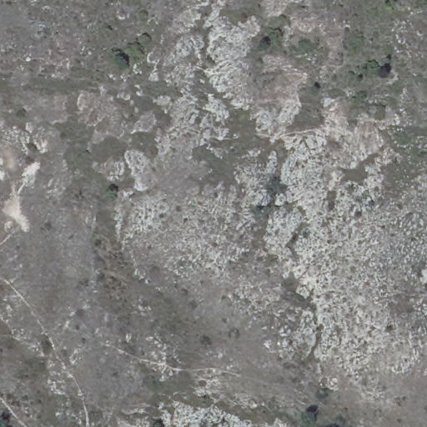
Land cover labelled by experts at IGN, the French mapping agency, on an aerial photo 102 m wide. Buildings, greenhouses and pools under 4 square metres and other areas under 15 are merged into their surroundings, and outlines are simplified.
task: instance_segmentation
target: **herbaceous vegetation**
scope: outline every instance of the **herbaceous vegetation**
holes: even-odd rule
[[[3,212],[3,208],[10,198],[12,185],[0,178],[0,240],[5,237],[5,222],[8,215]]]
[[[15,38],[15,47],[0,53],[0,142],[3,135],[12,127],[25,130],[27,120],[17,117],[15,112],[22,110],[28,100],[47,95],[67,95],[68,113],[67,122],[55,125],[58,135],[48,143],[47,152],[37,153],[35,163],[38,163],[38,170],[35,173],[35,182],[23,188],[20,195],[20,210],[27,217],[28,230],[18,230],[7,244],[0,245],[0,284],[3,284],[5,279],[28,282],[23,295],[32,302],[32,305],[13,310],[12,322],[15,329],[27,327],[32,329],[33,339],[40,344],[47,339],[52,339],[55,344],[55,349],[45,352],[43,357],[33,357],[32,350],[13,339],[12,332],[0,320],[0,362],[22,360],[22,369],[18,370],[15,377],[28,380],[33,392],[23,397],[0,392],[0,427],[77,427],[77,422],[72,417],[67,417],[67,410],[78,412],[82,409],[88,409],[88,412],[92,409],[102,410],[102,419],[93,422],[95,427],[117,427],[120,419],[117,412],[123,412],[125,409],[147,410],[147,405],[152,399],[153,390],[143,385],[142,374],[135,369],[138,364],[142,364],[138,357],[158,350],[145,337],[160,335],[160,342],[167,345],[167,364],[180,369],[193,369],[193,364],[200,360],[200,352],[208,349],[207,345],[200,342],[205,335],[203,330],[200,330],[203,322],[202,319],[193,319],[193,310],[197,307],[197,302],[190,300],[190,292],[187,289],[183,289],[182,294],[170,299],[163,292],[158,292],[152,285],[145,284],[142,279],[133,275],[132,262],[122,254],[122,242],[118,242],[115,235],[115,198],[118,192],[110,190],[108,185],[112,182],[103,177],[102,173],[95,172],[92,163],[103,163],[107,160],[118,162],[125,157],[127,150],[138,150],[147,158],[157,155],[155,137],[158,130],[162,130],[165,135],[165,130],[172,125],[172,117],[168,113],[163,113],[162,105],[158,105],[157,98],[170,97],[170,100],[177,102],[178,97],[182,97],[177,85],[167,85],[165,82],[165,75],[173,72],[173,65],[163,67],[163,60],[172,52],[180,38],[193,35],[192,30],[170,33],[167,30],[167,27],[172,25],[173,17],[177,17],[185,10],[180,0],[0,0],[0,23],[5,25],[7,32]],[[147,62],[142,63],[140,67],[133,63],[122,72],[117,63],[107,60],[107,53],[112,52],[113,48],[123,48],[128,42],[135,42],[138,37],[142,37],[145,32],[152,33],[152,50],[147,52]],[[127,110],[128,122],[137,122],[145,112],[155,113],[157,123],[153,125],[152,130],[125,133],[120,140],[107,137],[103,142],[95,143],[92,150],[87,150],[87,142],[93,137],[93,127],[78,122],[77,97],[80,92],[100,92],[100,85],[105,85],[108,95],[112,95],[113,103],[117,107]],[[62,197],[48,195],[47,182],[50,178],[58,178],[67,185]]]
[[[219,183],[224,185],[224,193],[230,193],[230,187],[235,182],[235,157],[259,148],[259,163],[267,163],[270,153],[284,143],[284,140],[270,142],[269,138],[259,137],[255,130],[257,120],[250,118],[252,113],[244,108],[235,108],[225,120],[229,130],[227,137],[224,140],[210,140],[212,147],[215,148],[232,145],[234,148],[229,153],[217,158],[203,145],[193,148],[192,157],[195,160],[205,160],[207,167],[212,168],[212,173],[207,173],[202,180],[195,175],[188,175],[188,180],[198,187],[198,197],[202,197],[205,185]]]
[[[297,13],[300,20],[315,15],[325,25],[324,35],[312,40],[300,38],[297,45],[284,47],[284,28],[285,25],[290,25],[292,13]],[[292,65],[302,72],[307,72],[307,83],[299,90],[300,112],[295,115],[294,122],[287,123],[287,132],[319,128],[320,125],[324,125],[324,98],[339,100],[349,123],[349,130],[357,125],[360,113],[367,113],[369,117],[380,120],[385,118],[387,107],[394,110],[405,108],[405,112],[409,113],[409,127],[402,127],[399,123],[389,125],[389,128],[379,133],[394,152],[402,155],[402,162],[392,158],[390,163],[380,167],[380,175],[384,175],[382,195],[370,200],[369,207],[385,207],[392,198],[399,198],[405,190],[419,188],[417,177],[427,175],[427,0],[317,0],[312,5],[290,3],[279,17],[267,17],[264,0],[234,0],[229,5],[225,3],[224,8],[220,10],[220,17],[229,18],[229,23],[234,25],[255,17],[260,25],[259,35],[250,40],[250,50],[245,55],[247,62],[254,60],[262,63],[265,55],[275,55],[289,58]],[[390,70],[399,73],[397,82],[387,85],[385,77],[365,77],[357,80],[360,68],[367,60],[377,60],[380,65],[384,65],[387,53],[392,53]]]

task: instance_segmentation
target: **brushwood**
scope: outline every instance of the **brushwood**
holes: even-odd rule
[[[155,420],[162,419],[162,414],[158,412],[160,402],[163,402],[168,414],[173,414],[175,410],[173,402],[182,402],[195,410],[212,405],[208,395],[195,394],[195,390],[205,387],[203,380],[193,380],[188,372],[178,372],[170,379],[160,382],[160,370],[150,369],[142,364],[138,364],[135,369],[142,374],[143,385],[153,390],[152,399],[147,405],[147,410],[125,409],[123,412],[117,412],[120,419],[128,424],[135,424],[138,419],[147,419],[152,425]]]
[[[302,415],[294,414],[292,417],[297,420],[297,427],[357,427],[359,419],[355,417],[355,412],[349,414],[349,407],[330,399],[329,387],[320,387],[315,394],[317,399],[314,402],[315,407],[319,409],[319,417],[314,419],[309,410],[305,410]]]
[[[152,50],[152,33],[145,32],[142,37],[138,37],[135,42],[128,42],[123,48],[113,48],[112,52],[107,53],[107,60],[117,63],[122,72],[133,63],[140,67],[142,63],[147,62],[147,52]]]
[[[279,175],[272,173],[265,190],[269,195],[277,197],[279,193],[287,192],[287,185],[282,183]]]

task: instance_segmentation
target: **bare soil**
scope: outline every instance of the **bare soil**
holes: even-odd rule
[[[182,402],[173,402],[175,410],[173,414],[168,414],[163,402],[160,402],[158,412],[162,414],[162,419],[155,420],[152,425],[147,419],[138,419],[135,424],[128,424],[120,419],[117,427],[297,427],[297,420],[292,417],[294,414],[302,415],[305,410],[309,410],[314,419],[319,417],[319,409],[315,407],[314,402],[317,399],[315,394],[320,387],[329,387],[330,399],[349,407],[349,414],[355,412],[355,417],[359,419],[357,427],[427,427],[427,175],[417,177],[419,188],[405,190],[399,198],[392,198],[385,207],[369,207],[370,200],[382,195],[384,175],[380,175],[380,167],[390,163],[392,158],[402,162],[402,155],[394,152],[379,133],[389,128],[389,125],[399,123],[402,127],[409,127],[409,113],[405,112],[405,108],[394,110],[387,107],[385,118],[380,120],[369,117],[367,113],[360,113],[357,125],[349,130],[349,123],[339,100],[324,98],[324,125],[320,125],[319,128],[287,132],[287,123],[294,122],[295,115],[300,112],[299,90],[307,83],[307,72],[302,72],[292,65],[289,58],[275,55],[265,55],[262,63],[254,60],[247,62],[245,55],[250,50],[250,40],[259,35],[260,25],[255,17],[234,25],[229,23],[229,18],[220,17],[220,10],[224,8],[225,3],[229,5],[234,0],[180,0],[185,10],[177,17],[173,17],[172,25],[167,27],[167,30],[170,33],[192,30],[193,35],[180,38],[172,52],[163,60],[163,67],[173,65],[173,72],[165,75],[165,82],[167,85],[177,85],[182,97],[178,97],[177,102],[170,100],[170,97],[157,98],[158,105],[162,105],[163,113],[168,113],[172,117],[172,125],[165,130],[165,135],[162,130],[158,130],[155,137],[157,155],[147,158],[138,150],[127,150],[125,157],[118,162],[107,160],[103,163],[92,163],[95,172],[102,173],[103,177],[112,182],[108,185],[110,190],[118,192],[115,198],[115,235],[118,242],[122,242],[122,254],[132,262],[133,275],[142,279],[145,284],[152,285],[158,292],[163,292],[170,299],[182,294],[183,289],[187,289],[190,292],[190,300],[197,302],[197,307],[193,310],[193,319],[202,319],[203,322],[200,330],[203,330],[205,335],[200,342],[207,345],[208,349],[200,352],[200,360],[193,364],[193,369],[180,369],[167,364],[167,345],[160,342],[160,335],[145,337],[158,350],[138,357],[142,364],[150,369],[160,370],[160,382],[170,379],[178,372],[188,372],[193,380],[203,380],[205,387],[195,390],[195,394],[208,395],[212,405],[195,410]],[[234,148],[232,145],[215,148],[212,147],[210,140],[224,140],[227,137],[229,130],[225,120],[235,108],[244,108],[252,113],[250,118],[257,120],[255,130],[259,137],[269,138],[270,142],[284,140],[284,143],[270,153],[267,163],[259,163],[259,148],[235,157],[235,182],[230,187],[230,193],[224,193],[224,185],[219,183],[205,185],[202,197],[198,197],[198,187],[188,180],[188,175],[195,175],[202,180],[207,173],[212,173],[212,168],[207,167],[205,160],[195,160],[192,157],[193,148],[203,145],[217,158],[229,153]],[[287,185],[287,192],[279,193],[277,197],[269,195],[265,190],[272,173],[279,175],[282,183]]]
[[[13,310],[32,305],[32,302],[23,295],[28,282],[5,279],[3,284],[0,284],[0,320],[12,332],[13,339],[32,350],[33,357],[43,357],[45,352],[55,349],[55,344],[52,339],[47,339],[40,344],[33,339],[32,329],[27,327],[15,329],[12,322]]]
[[[112,95],[108,95],[105,85],[100,85],[100,92],[80,92],[77,97],[78,122],[93,127],[93,137],[87,142],[87,150],[92,150],[95,143],[103,142],[107,137],[120,140],[125,133],[152,130],[153,125],[157,123],[155,113],[145,112],[137,122],[128,122],[127,110],[117,107],[113,103]]]
[[[102,410],[92,409],[88,412],[88,409],[82,409],[78,412],[67,410],[67,417],[72,417],[77,422],[77,427],[95,427],[93,422],[102,419]]]
[[[297,45],[300,38],[312,40],[324,35],[325,25],[315,15],[300,20],[297,13],[292,13],[290,25],[285,25],[284,28],[284,47]]]
[[[58,178],[50,178],[47,182],[48,195],[62,197],[67,185]]]
[[[264,0],[267,17],[279,17],[290,3],[312,5],[317,0]]]
[[[48,143],[58,135],[55,125],[67,122],[68,113],[67,95],[47,95],[28,100],[22,110],[15,112],[17,117],[27,120],[25,130],[12,127],[3,135],[0,142],[0,178],[12,185],[10,198],[3,208],[3,212],[8,215],[5,222],[5,237],[0,240],[0,245],[7,244],[18,230],[28,230],[27,217],[20,210],[20,195],[23,188],[35,182],[35,173],[38,170],[38,163],[35,163],[37,153],[47,152]]]
[[[0,362],[0,392],[23,397],[33,392],[28,380],[15,377],[18,370],[22,369],[22,360]]]
[[[0,53],[15,47],[15,38],[7,32],[5,25],[0,23]]]
[[[385,77],[387,85],[397,82],[399,73],[390,70],[392,53],[387,53],[384,65],[380,65],[377,60],[367,60],[360,68],[357,80],[365,77]]]

